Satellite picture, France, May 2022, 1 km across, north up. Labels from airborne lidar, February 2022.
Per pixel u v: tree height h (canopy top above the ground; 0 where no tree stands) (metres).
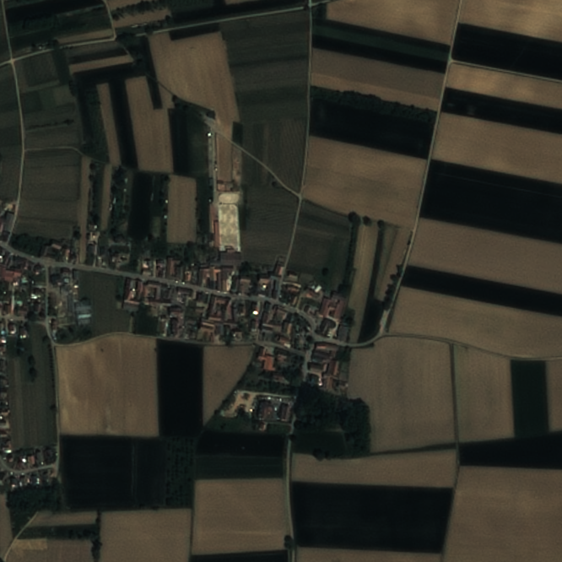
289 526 0
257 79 0
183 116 0
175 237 0
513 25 0
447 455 0
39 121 0
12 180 0
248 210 0
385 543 0
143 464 0
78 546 0
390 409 0
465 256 0
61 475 0
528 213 0
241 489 0
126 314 0
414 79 0
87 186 0
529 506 0
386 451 0
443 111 0
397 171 0
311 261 0
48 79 0
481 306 0
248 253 0
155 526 0
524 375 0
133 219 0
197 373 0
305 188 0
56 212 0
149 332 0
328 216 0
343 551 0
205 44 0
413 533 0
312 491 0
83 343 0
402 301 0
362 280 0
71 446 0
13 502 19
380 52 0
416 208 0
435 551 0
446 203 0
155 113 0
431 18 0
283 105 0
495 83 0
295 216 0
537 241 0
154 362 0
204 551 0
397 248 0
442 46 0
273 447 0
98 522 8
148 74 0
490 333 0
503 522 0
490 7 0
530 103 0
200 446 0
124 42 13
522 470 0
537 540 0
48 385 0
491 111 0
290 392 12
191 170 0
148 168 0
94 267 0
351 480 0
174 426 0
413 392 0
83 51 0
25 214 0
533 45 0
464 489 0
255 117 0
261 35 0
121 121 0
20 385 0
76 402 0
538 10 0
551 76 0
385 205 0
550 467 0
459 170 0
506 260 0
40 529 0
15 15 0
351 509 0
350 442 9
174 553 0
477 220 0
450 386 0
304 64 0
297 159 0
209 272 0
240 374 0
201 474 0
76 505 0
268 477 0
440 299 0
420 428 0
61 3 0
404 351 0
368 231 0
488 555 0
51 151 0
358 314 0
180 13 0
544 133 0
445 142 0
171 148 0
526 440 0
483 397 0
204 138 0
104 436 0
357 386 0
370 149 0
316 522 0
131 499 0
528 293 0
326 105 0
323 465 0
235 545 0
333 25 0
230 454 0
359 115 0
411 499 0
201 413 0
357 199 0
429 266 0
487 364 0
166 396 0
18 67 0
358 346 0
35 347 0
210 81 0
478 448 0
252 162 0
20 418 0
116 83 0
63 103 0
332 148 0
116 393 0
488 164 0
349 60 0
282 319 0
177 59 0
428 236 0
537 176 0
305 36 0
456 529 0
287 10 0
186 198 0
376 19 0
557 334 0
